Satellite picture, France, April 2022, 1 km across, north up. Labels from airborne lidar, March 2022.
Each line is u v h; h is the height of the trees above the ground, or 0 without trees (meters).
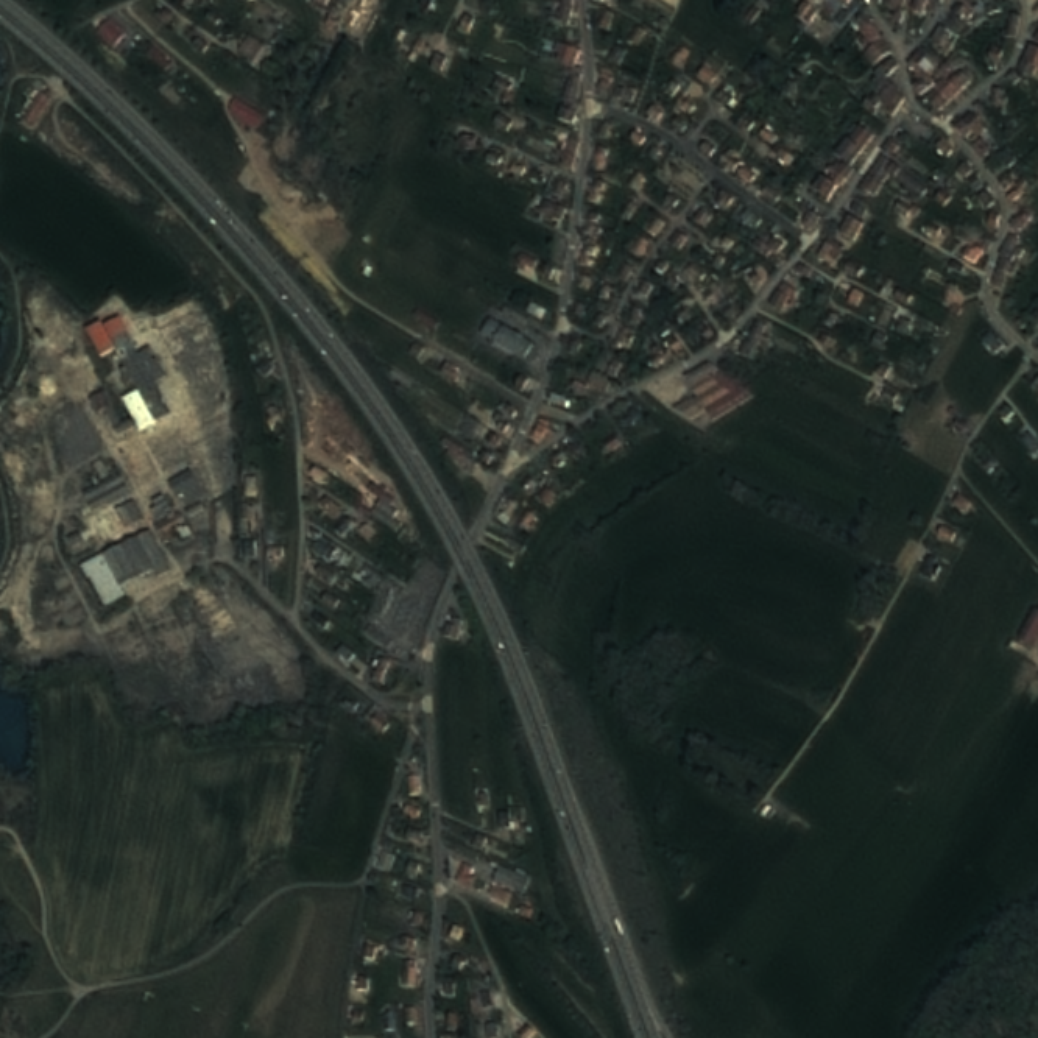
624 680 11
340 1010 0
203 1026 0
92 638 0
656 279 12
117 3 0
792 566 0
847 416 0
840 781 0
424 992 0
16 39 0
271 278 0
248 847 0
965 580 0
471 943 7
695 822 0
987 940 13
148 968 0
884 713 0
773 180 12
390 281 0
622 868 0
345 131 7
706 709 0
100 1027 0
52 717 0
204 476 0
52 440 0
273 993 0
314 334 0
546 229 0
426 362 0
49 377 0
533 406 0
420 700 0
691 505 0
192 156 0
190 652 0
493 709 0
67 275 0
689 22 0
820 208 0
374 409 0
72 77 0
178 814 0
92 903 0
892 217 0
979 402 0
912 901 0
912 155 0
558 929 8
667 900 0
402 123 0
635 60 0
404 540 0
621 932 0
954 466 0
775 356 13
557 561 0
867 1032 0
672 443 0
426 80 0
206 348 0
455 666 0
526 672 0
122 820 0
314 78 0
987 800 0
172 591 0
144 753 0
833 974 0
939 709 0
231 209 0
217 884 0
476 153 8
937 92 0
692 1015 0
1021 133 0
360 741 0
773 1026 0
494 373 0
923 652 0
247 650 0
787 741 0
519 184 0
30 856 0
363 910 0
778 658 0
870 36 0
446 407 0
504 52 0
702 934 0
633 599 0
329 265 0
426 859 0
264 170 0
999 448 0
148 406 0
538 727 0
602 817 0
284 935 0
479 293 0
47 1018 0
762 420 0
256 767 0
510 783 0
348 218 0
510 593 7
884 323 0
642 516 0
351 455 0
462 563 0
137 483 0
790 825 0
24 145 0
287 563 0
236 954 0
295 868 0
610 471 0
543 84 0
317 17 0
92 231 0
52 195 0
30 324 0
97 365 0
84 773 0
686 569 0
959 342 0
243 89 0
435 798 0
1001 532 0
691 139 0
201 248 0
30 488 0
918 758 0
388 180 0
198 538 0
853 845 0
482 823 0
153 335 0
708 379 0
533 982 0
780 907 0
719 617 0
